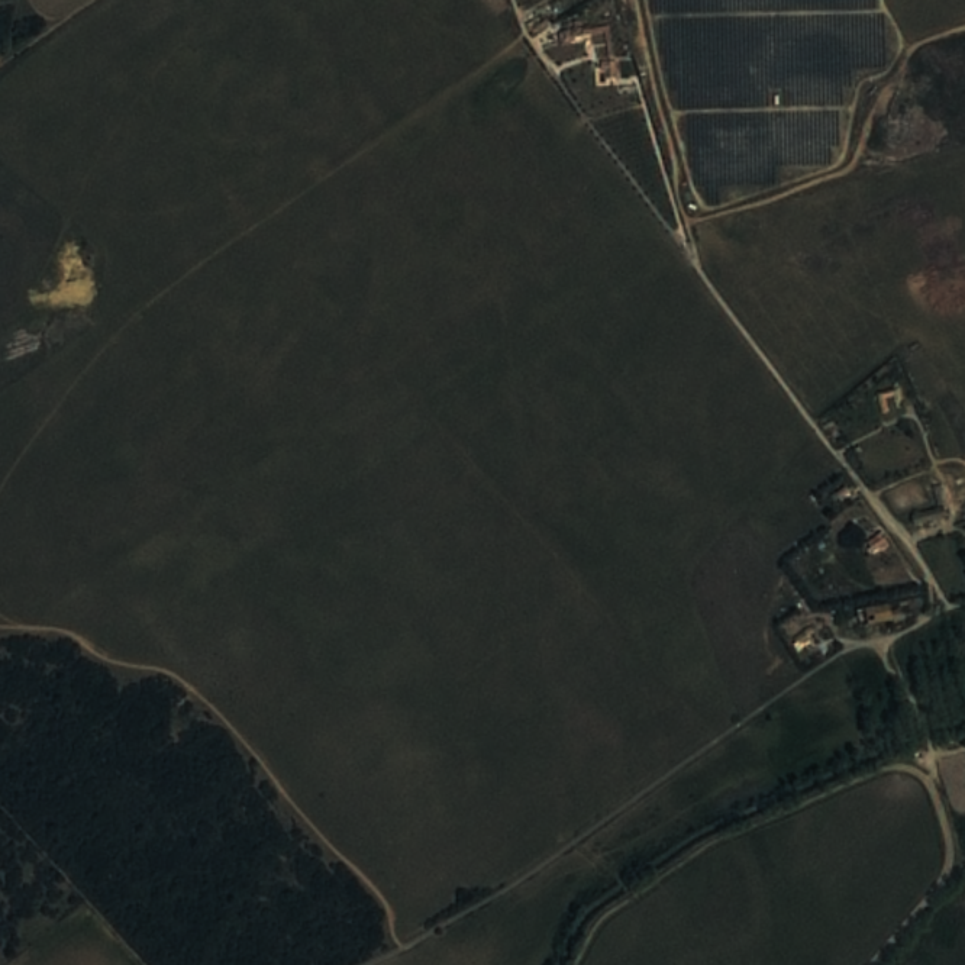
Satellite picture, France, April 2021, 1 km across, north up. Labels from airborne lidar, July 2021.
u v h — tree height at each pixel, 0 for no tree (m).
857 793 0
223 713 0
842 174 0
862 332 0
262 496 0
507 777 0
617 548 0
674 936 0
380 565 0
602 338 0
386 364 0
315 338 0
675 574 0
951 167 0
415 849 0
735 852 0
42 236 0
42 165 0
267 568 0
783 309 0
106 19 0
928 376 0
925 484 0
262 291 0
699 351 0
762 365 0
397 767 0
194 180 0
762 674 0
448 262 0
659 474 0
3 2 0
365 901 6
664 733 0
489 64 0
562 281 0
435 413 0
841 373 0
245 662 0
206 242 0
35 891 5
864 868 0
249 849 6
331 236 0
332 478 0
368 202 0
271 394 0
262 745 0
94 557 0
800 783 13
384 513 0
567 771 0
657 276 0
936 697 25
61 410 0
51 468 0
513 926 0
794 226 0
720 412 0
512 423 0
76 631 0
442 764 0
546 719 0
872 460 0
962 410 0
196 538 0
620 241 0
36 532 0
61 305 0
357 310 0
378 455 0
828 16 0
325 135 0
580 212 0
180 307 0
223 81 0
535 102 0
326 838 0
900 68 0
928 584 6
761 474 0
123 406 0
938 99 0
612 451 0
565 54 0
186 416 0
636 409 0
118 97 0
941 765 0
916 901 0
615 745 0
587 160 0
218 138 0
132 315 0
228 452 0
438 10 0
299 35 0
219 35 0
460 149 0
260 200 0
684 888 0
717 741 0
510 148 0
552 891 0
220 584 0
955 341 0
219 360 0
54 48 0
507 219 0
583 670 0
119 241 0
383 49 0
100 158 0
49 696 10
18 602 0
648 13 0
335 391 0
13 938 9
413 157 0
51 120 0
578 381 0
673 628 0
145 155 0
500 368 0
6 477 0
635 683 0
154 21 0
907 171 0
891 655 0
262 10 0
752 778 0
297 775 0
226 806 6
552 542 0
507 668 0
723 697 0
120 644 0
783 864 0
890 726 20
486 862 0
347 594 0
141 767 6
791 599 0
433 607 0
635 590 0
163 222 0
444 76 0
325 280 0
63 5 0
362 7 0
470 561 0
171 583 0
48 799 6
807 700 0
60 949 0
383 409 0
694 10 0
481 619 0
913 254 0
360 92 0
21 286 0
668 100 0
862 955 0
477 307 0
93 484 0
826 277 0
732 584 0
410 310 0
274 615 0
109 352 0
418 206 0
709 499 0
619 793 0
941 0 0
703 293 0
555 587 0
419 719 0
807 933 0
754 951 0
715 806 0
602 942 0
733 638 0
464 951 0
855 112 0
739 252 0
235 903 11
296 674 0
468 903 7
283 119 0
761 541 0
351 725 0
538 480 0
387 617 0
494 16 0
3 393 0
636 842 0
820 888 0
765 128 0
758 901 0
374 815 0
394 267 0
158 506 0
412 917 0
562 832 0
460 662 0
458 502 0
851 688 10
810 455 0
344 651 0
